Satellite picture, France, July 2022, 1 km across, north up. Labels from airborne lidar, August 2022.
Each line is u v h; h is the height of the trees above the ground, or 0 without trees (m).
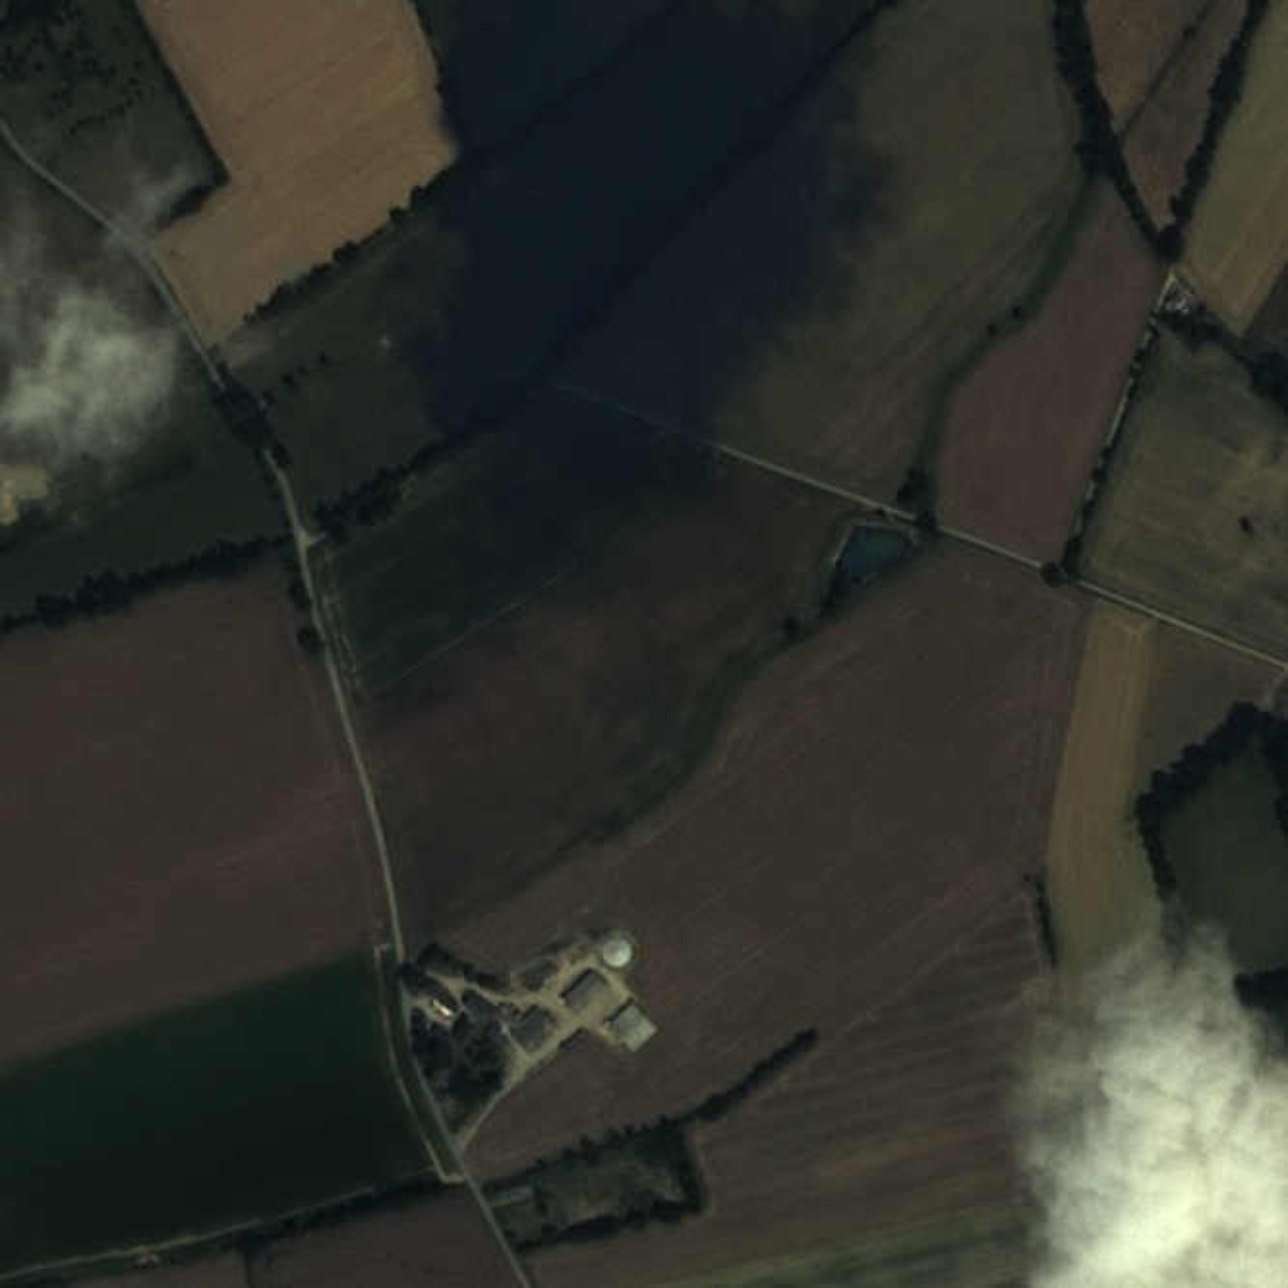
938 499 0
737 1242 0
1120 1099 0
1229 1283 0
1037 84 0
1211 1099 14
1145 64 0
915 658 0
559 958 0
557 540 0
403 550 0
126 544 0
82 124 7
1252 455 0
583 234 0
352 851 0
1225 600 0
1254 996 24
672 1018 0
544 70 0
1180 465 0
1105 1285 0
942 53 0
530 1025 0
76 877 0
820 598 0
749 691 0
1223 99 19
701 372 0
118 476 0
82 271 0
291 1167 0
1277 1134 0
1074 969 0
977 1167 0
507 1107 0
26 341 0
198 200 13
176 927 0
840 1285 0
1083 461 0
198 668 0
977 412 0
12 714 0
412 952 0
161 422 0
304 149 0
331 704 0
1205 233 0
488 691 0
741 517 0
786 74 0
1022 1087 0
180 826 0
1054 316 0
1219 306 0
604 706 0
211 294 0
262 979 0
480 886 0
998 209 0
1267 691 0
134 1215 0
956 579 0
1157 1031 0
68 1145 0
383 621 0
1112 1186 0
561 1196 0
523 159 0
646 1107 0
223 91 0
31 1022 0
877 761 0
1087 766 0
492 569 0
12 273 0
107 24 0
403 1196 15
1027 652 0
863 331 0
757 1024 0
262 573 0
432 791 0
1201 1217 0
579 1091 0
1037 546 0
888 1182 0
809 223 0
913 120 0
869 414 0
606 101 0
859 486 0
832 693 0
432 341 0
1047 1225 0
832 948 0
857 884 0
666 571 0
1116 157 13
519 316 0
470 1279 0
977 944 0
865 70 0
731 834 0
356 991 0
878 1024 0
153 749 0
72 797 0
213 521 0
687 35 0
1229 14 0
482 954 0
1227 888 0
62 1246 0
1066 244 0
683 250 0
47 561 0
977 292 0
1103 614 0
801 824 0
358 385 0
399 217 12
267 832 0
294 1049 0
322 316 0
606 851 0
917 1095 0
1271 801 0
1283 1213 0
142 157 0
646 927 0
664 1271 0
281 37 0
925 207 0
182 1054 0
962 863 0
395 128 0
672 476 0
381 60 0
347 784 0
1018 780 0
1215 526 0
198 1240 0
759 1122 0
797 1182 0
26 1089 0
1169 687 0
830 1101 0
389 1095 0
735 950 0
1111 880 0
